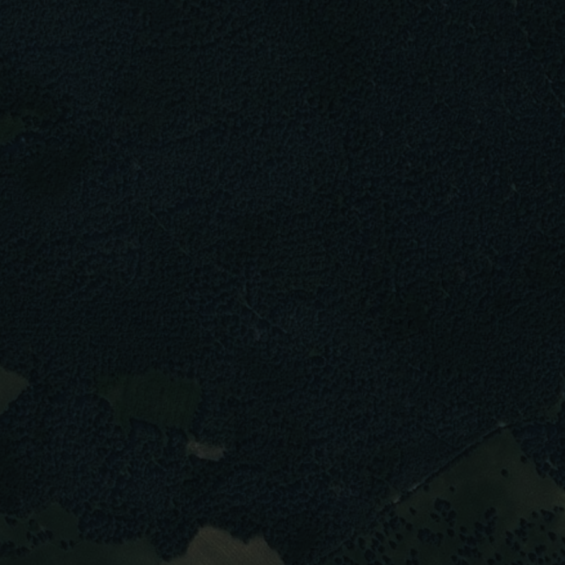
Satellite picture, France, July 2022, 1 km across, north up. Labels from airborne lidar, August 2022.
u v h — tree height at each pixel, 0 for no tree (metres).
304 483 6
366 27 22
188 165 29
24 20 21
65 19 23
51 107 17
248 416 22
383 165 28
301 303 24
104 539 18
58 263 25
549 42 23
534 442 30
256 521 12
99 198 25
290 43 18
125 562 0
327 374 23
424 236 25
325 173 26
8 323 18
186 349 21
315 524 19
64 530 0
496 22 24
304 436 13
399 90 30
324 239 9
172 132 22
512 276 27
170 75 23
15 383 0
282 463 14
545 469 23
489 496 0
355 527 19
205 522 21
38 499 21
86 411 33
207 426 19
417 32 22
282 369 20
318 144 24
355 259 25
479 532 10
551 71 25
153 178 29
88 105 27
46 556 0
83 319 20
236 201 30
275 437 11
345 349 27
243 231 10
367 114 22
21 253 19
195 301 26
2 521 0
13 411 13
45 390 23
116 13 25
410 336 19
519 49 26
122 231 28
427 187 29
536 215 26
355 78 23
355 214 21
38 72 21
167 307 19
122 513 8
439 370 21
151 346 20
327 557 15
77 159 25
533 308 16
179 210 30
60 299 28
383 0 23
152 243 17
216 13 23
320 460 21
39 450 21
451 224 29
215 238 16
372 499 23
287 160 22
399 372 22
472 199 23
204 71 21
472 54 25
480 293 20
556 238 18
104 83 29
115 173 32
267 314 11
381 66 22
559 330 16
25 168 27
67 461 30
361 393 26
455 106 24
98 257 29
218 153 22
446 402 12
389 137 26
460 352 18
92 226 23
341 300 24
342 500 13
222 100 26
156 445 29
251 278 27
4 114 26
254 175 33
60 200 25
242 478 30
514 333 19
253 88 22
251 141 25
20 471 23
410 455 22
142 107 14
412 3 25
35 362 16
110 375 10
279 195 26
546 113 28
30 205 27
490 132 26
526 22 24
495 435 10
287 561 21
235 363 30
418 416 17
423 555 0
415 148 24
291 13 15
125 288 16
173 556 12
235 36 23
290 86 20
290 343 23
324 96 24
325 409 30
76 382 32
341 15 24
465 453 13
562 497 0
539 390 22
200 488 19
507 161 17
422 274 22
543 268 25
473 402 13
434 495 0
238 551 0
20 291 20
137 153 26
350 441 24
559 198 24
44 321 21
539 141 26
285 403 23
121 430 17
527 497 0
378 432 21
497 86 26
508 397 22
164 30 25
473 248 34
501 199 23
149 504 27
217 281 15
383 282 25
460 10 22
